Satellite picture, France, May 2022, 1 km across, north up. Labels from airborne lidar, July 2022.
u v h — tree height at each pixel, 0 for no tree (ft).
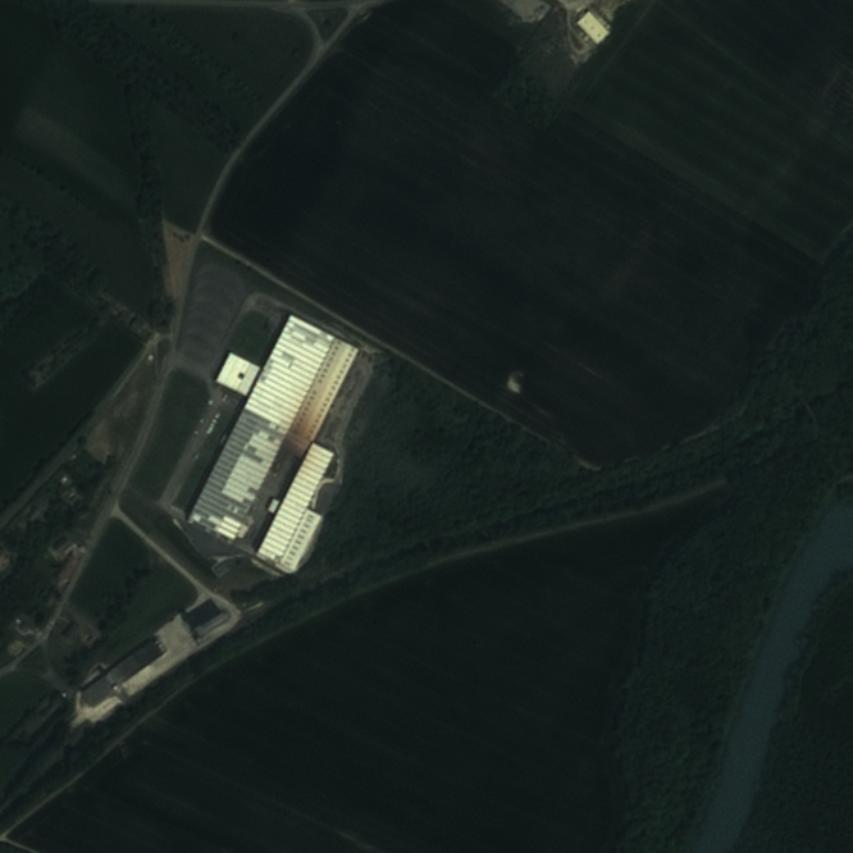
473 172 0
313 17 0
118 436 0
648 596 45
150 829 0
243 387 0
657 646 73
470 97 0
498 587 0
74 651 0
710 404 0
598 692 0
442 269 0
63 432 0
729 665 62
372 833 0
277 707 0
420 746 0
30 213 26
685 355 0
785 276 0
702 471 53
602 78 0
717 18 0
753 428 61
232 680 0
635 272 0
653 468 20
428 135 0
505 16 0
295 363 0
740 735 0
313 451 0
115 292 0
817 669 24
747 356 0
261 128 0
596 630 0
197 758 0
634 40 0
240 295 0
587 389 0
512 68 28
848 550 0
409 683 0
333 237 0
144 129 42
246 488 0
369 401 0
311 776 0
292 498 0
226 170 0
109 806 0
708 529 63
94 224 0
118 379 0
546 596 0
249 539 0
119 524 0
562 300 0
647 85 0
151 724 0
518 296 0
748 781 0
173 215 0
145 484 0
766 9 0
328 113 0
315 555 23
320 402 0
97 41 58
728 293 0
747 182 0
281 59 0
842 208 0
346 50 0
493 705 0
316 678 0
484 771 0
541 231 0
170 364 0
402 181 0
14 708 0
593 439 0
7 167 0
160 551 0
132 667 0
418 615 0
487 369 0
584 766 0
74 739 0
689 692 51
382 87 0
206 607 0
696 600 83
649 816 55
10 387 0
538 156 0
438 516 48
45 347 0
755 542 65
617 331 0
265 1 0
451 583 0
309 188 0
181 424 0
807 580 0
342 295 0
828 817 56
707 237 0
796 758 57
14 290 25
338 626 0
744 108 0
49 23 0
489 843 0
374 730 0
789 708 46
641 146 0
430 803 0
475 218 0
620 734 47
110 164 0
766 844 53
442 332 0
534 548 0
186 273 0
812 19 0
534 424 0
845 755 56
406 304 0
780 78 0
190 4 0
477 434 25
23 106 0
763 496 69
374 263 0
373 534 38
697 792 90
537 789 0
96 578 0
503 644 0
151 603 0
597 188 0
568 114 0
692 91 0
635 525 0
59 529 20
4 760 0
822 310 75
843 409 79
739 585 67
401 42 0
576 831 0
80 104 0
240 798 0
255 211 0
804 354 75
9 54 0
